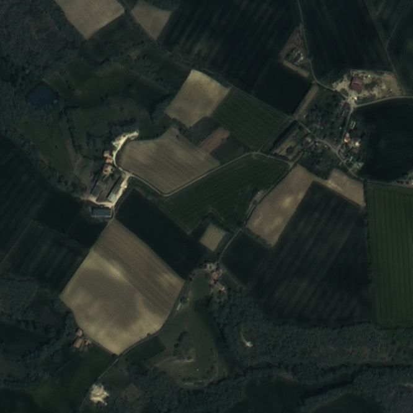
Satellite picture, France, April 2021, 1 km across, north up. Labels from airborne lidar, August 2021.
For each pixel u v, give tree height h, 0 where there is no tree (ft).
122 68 0
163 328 0
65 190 43
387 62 0
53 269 0
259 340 64
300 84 0
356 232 0
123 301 0
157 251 0
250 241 0
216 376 52
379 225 0
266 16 0
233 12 0
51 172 48
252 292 0
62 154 0
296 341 56
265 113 0
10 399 0
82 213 0
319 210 0
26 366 22
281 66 0
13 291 69
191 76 0
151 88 0
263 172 0
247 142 0
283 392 0
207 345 0
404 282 0
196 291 0
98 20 0
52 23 0
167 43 0
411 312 0
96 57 0
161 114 58
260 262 0
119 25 0
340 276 0
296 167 0
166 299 0
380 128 0
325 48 0
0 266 0
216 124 0
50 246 0
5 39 36
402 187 0
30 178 0
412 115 0
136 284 0
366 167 0
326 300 0
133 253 0
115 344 0
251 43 0
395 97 0
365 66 0
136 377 48
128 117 0
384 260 0
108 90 0
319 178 32
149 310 0
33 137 0
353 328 50
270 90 0
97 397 0
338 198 0
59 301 57
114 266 0
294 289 0
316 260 0
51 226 0
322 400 61
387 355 40
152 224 0
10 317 37
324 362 76
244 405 0
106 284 0
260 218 0
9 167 0
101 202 0
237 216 0
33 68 51
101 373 0
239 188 0
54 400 0
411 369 62
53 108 85
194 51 0
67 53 57
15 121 58
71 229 0
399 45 0
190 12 0
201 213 0
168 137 0
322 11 0
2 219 0
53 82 0
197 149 0
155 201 0
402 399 36
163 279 0
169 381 86
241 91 0
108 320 0
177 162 0
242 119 0
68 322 81
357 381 65
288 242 0
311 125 37
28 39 52
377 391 62
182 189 0
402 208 0
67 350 0
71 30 52
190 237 0
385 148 0
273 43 0
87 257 0
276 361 66
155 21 0
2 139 0
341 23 0
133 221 0
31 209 0
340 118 33
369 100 0
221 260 0
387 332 68
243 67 0
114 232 0
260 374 65
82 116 0
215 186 0
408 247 0
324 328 38
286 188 0
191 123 0
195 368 0
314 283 0
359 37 0
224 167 0
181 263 0
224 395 74
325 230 0
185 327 0
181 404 84
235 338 64
